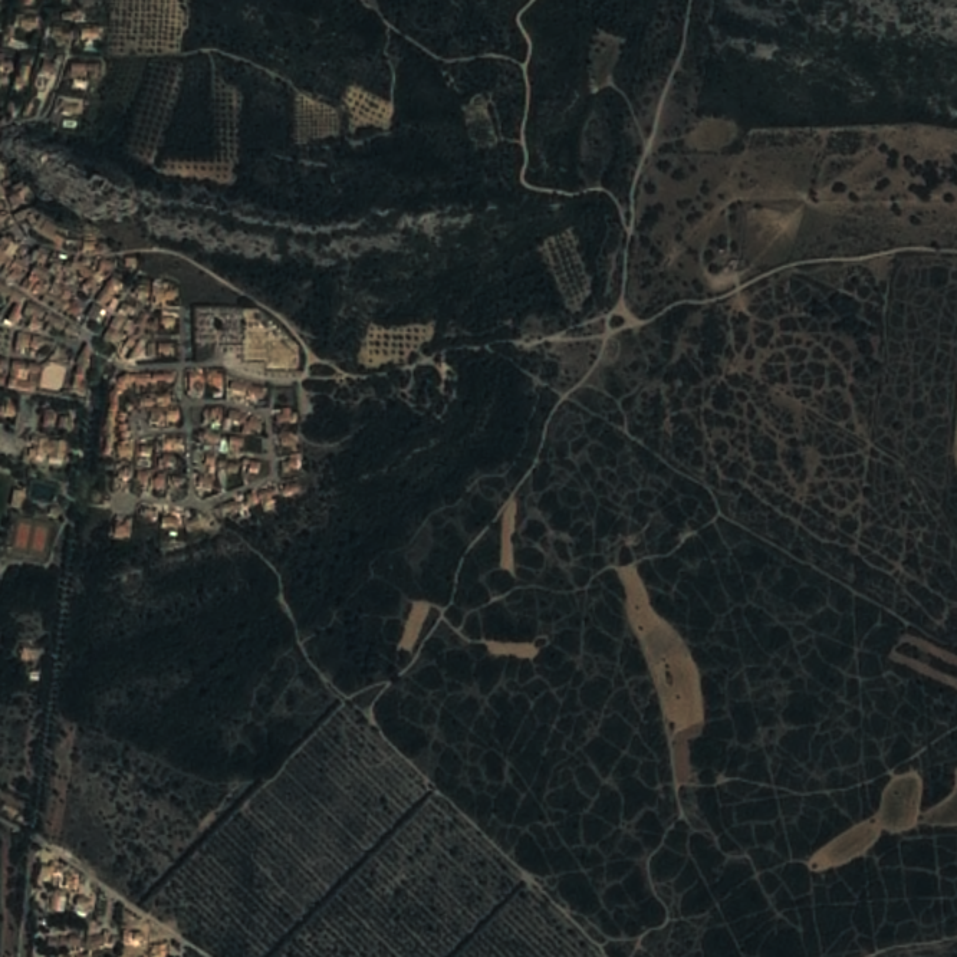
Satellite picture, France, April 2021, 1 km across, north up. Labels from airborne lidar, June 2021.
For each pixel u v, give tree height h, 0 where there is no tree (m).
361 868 8
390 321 6
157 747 6
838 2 0
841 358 0
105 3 6
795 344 0
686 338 0
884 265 0
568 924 0
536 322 0
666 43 0
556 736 0
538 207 0
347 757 5
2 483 0
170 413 0
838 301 7
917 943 0
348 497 6
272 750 6
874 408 0
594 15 6
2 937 0
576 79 0
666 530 0
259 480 0
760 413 0
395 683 10
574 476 0
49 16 9
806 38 0
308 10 0
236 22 0
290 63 8
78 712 7
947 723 0
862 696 0
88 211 0
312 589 10
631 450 0
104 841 0
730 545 0
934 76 0
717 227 0
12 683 6
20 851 7
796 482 0
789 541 0
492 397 6
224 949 6
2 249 0
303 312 6
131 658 6
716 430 0
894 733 0
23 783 12
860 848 0
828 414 0
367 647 11
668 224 0
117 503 0
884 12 0
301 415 0
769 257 0
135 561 8
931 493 0
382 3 7
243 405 0
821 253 0
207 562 6
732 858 0
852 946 0
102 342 12
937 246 9
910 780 0
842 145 0
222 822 8
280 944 8
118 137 5
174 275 0
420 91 0
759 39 0
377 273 7
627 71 0
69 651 6
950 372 0
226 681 10
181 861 7
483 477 0
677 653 0
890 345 0
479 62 7
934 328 0
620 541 0
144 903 8
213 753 5
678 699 0
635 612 0
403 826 9
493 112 9
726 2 0
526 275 7
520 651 0
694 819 0
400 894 8
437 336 7
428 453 6
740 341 0
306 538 12
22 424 0
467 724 0
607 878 0
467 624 0
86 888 0
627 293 0
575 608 0
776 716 0
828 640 0
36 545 0
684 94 0
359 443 7
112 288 0
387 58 7
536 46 0
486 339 6
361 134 6
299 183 6
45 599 6
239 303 6
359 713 8
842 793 0
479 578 0
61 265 0
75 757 6
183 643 6
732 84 0
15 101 8
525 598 0
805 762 0
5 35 7
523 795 0
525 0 0
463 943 6
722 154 0
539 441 0
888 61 0
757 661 0
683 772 0
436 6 6
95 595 5
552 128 0
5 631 6
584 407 0
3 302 5
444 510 0
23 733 0
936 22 0
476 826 0
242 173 8
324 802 6
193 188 0
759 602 0
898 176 0
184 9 7
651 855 0
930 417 0
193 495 0
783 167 0
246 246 0
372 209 0
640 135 0
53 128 7
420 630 0
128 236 0
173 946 8
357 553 5
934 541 0
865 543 0
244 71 6
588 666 0
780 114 0
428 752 0
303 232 0
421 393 10
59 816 0
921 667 0
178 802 8
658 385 0
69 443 9
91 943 0
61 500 9
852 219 0
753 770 0
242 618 5
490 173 8
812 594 0
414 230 0
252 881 5
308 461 7
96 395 10
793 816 0
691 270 0
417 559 0
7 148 0
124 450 0
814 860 0
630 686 0
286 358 0
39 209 9
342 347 6
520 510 0
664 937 0
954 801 0
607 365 0
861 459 0
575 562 0
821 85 0
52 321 0
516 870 0
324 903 7
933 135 0
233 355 0
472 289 6
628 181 0
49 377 0
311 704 0
